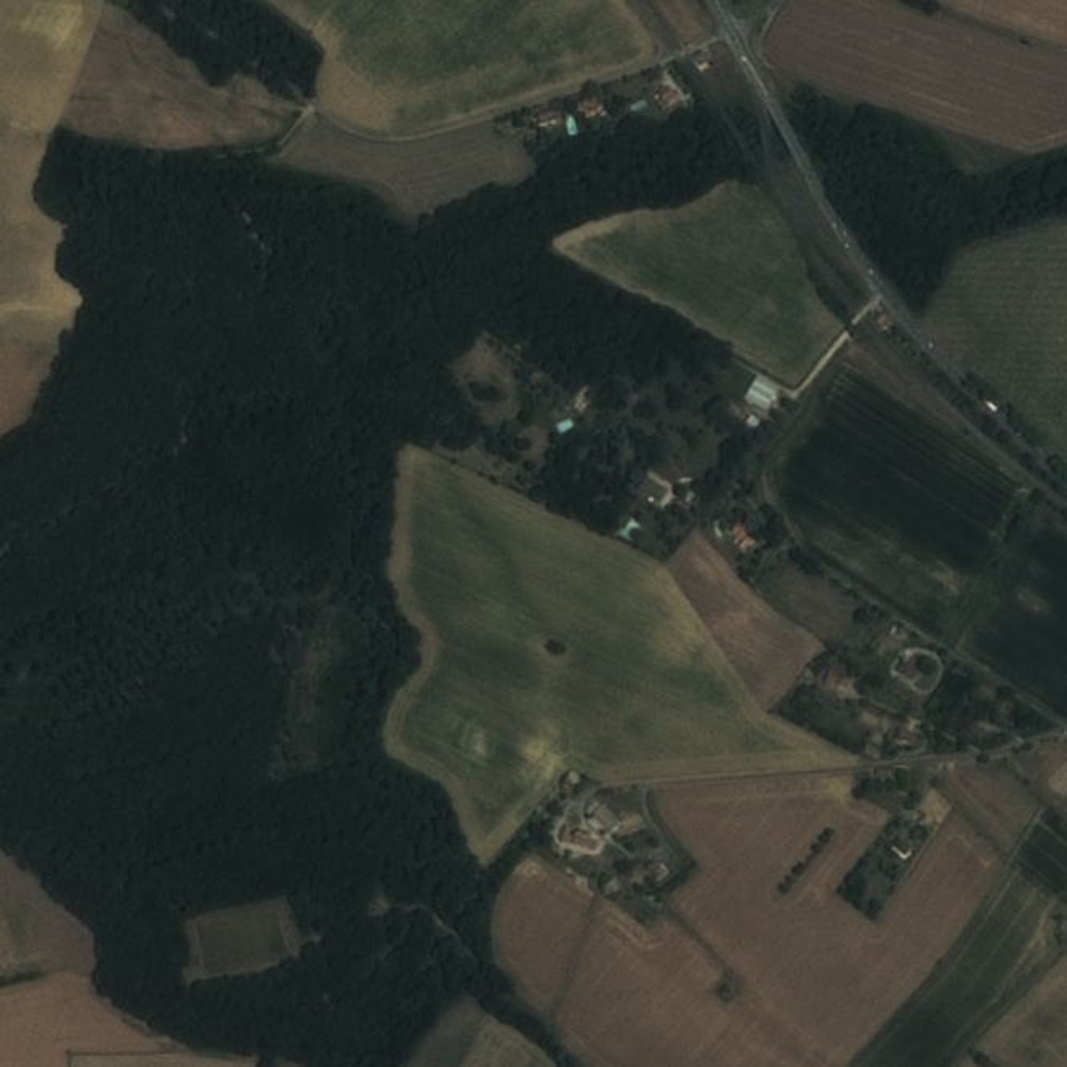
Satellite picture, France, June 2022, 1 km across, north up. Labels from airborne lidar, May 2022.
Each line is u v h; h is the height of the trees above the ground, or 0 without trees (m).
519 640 0
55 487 15
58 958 0
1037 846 0
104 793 25
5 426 0
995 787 0
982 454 0
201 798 21
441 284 25
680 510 12
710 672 0
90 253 12
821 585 0
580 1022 0
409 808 22
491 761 0
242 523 16
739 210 0
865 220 20
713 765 0
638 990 0
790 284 0
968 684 10
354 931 13
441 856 12
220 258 17
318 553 22
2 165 0
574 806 0
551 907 0
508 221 30
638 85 0
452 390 13
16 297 0
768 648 0
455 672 0
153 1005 19
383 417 25
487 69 0
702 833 0
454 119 0
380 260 21
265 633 16
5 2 0
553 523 0
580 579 0
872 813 0
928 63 0
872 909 7
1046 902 0
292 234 15
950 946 0
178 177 17
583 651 0
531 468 11
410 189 0
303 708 0
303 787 21
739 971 0
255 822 13
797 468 0
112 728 23
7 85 0
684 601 0
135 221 18
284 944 0
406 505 0
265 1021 18
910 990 0
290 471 19
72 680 19
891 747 6
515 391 0
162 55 0
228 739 13
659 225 0
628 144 21
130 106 0
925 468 0
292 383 24
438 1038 0
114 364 16
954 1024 0
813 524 0
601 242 0
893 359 0
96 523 16
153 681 19
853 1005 0
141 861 10
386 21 0
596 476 13
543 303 23
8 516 13
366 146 0
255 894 18
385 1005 24
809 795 0
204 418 9
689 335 14
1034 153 0
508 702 0
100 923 16
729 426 20
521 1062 0
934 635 0
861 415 0
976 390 17
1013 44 0
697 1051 0
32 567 16
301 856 24
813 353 0
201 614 18
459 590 0
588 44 0
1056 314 0
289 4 0
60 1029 0
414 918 12
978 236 16
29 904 0
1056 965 0
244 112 0
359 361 26
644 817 0
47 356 0
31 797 24
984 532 0
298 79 16
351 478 23
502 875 15
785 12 0
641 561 0
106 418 16
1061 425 0
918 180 26
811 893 0
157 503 15
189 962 6
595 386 17
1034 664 0
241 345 20
